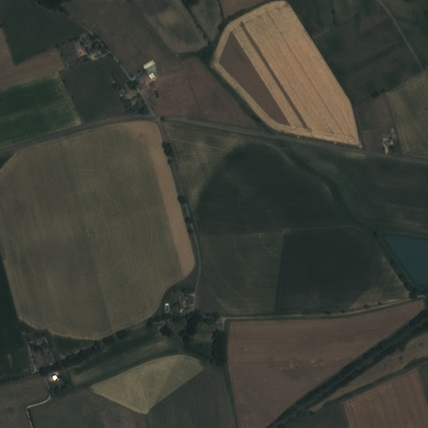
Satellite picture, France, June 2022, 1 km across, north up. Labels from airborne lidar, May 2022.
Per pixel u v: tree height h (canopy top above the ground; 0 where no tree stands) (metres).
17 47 0
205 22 0
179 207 0
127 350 0
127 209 0
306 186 0
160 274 0
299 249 0
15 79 0
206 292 0
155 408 0
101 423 0
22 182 0
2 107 0
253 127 0
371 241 0
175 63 0
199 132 0
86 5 0
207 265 0
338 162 0
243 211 0
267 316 0
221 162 0
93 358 0
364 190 0
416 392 0
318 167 0
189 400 0
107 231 0
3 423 0
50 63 0
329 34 0
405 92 0
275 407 0
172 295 0
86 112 0
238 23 0
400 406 0
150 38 0
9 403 0
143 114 8
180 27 0
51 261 0
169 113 0
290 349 0
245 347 0
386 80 0
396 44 0
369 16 0
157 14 0
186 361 0
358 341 0
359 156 0
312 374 0
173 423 0
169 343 0
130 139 0
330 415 0
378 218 0
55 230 0
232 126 0
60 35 0
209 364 0
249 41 0
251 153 0
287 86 0
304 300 0
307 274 0
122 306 0
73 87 0
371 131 0
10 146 0
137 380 0
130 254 0
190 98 0
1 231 0
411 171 0
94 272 0
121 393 0
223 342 17
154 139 0
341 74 0
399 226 0
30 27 0
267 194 0
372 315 0
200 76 0
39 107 0
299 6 0
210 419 0
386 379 0
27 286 0
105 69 0
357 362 9
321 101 0
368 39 0
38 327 0
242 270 0
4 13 0
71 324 0
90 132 0
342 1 0
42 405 0
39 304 0
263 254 0
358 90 0
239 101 0
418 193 0
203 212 0
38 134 0
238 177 0
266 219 0
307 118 0
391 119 0
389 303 0
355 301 0
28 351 0
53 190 0
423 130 0
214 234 0
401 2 0
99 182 0
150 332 0
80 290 0
